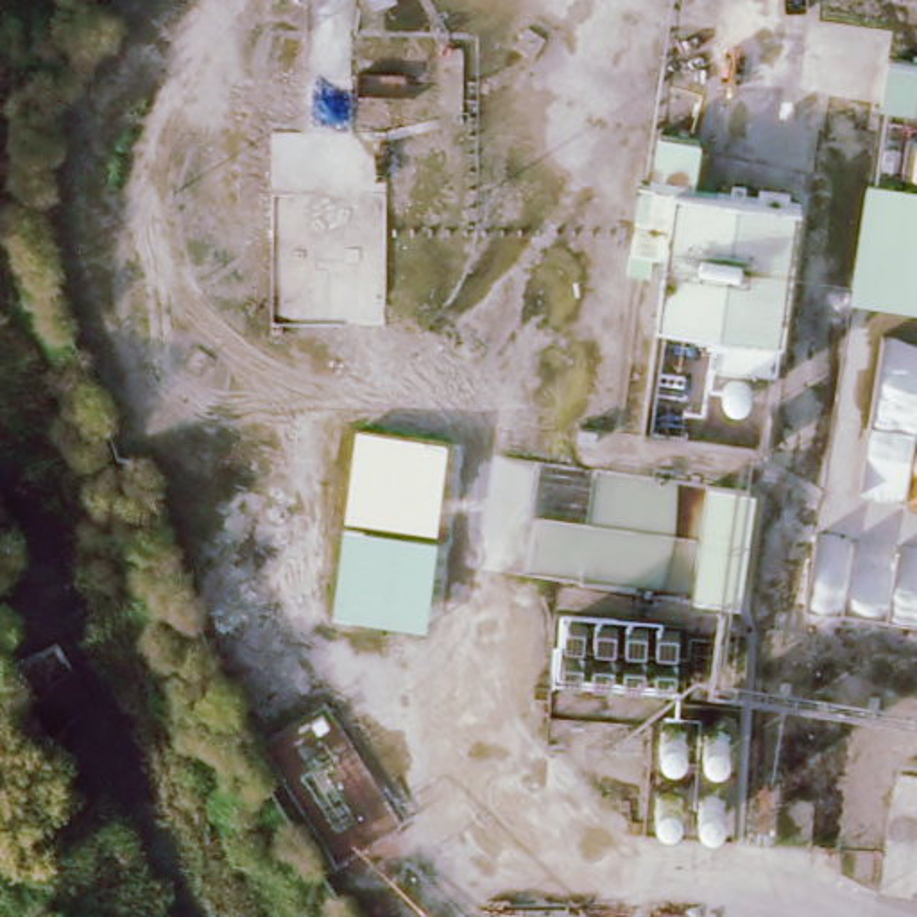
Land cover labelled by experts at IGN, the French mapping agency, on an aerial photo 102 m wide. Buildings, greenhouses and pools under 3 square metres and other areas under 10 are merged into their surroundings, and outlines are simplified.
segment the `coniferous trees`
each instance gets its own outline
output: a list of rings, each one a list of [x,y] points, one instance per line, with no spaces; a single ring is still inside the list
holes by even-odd
[[[118,29],[115,18],[104,14],[100,0],[50,0],[50,36],[68,47],[72,61],[93,64],[115,50]]]
[[[276,856],[290,863],[304,881],[319,881],[322,874],[322,863],[312,845],[287,820],[272,795],[261,799],[254,820],[276,831]]]
[[[82,505],[90,512],[147,519],[161,509],[161,476],[150,462],[125,459],[118,473],[111,473],[100,459],[107,437],[115,433],[115,419],[107,398],[90,383],[82,383],[72,398],[82,441],[79,451],[68,459],[68,466],[82,476]]]
[[[179,555],[172,548],[165,548],[158,559],[129,573],[129,591],[147,605],[140,652],[147,656],[150,670],[161,673],[168,695],[172,745],[186,756],[204,759],[219,777],[219,792],[233,788],[233,777],[247,767],[247,759],[240,752],[219,749],[219,741],[222,731],[233,731],[244,720],[240,698],[219,677],[215,659],[208,659],[201,648],[197,609],[179,580]]]
[[[18,276],[21,308],[32,315],[32,326],[47,347],[64,347],[72,340],[72,330],[61,315],[61,272],[54,261],[54,247],[36,233],[47,222],[47,211],[57,204],[54,168],[64,161],[64,143],[36,136],[36,129],[50,125],[72,104],[64,100],[64,79],[36,75],[29,82],[14,90],[4,104],[11,204],[0,215],[0,244],[11,258],[11,272]]]

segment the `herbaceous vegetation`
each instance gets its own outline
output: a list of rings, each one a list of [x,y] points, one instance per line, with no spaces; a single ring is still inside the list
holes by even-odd
[[[0,917],[61,917],[47,910],[54,878],[39,885],[18,885],[0,874]]]

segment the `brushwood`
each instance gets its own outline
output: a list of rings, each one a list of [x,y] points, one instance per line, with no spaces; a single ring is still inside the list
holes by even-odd
[[[122,810],[115,806],[115,799],[75,795],[68,788],[64,824],[54,831],[50,849],[54,878],[47,910],[61,917],[168,917],[172,896],[165,881],[150,874],[150,863],[140,853],[136,835],[122,824]]]

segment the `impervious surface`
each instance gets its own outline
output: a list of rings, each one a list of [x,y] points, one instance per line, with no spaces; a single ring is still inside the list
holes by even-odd
[[[358,716],[405,738],[408,777],[408,831],[383,835],[373,845],[355,849],[362,863],[369,856],[426,856],[441,874],[451,874],[462,885],[462,892],[480,903],[487,903],[498,892],[577,892],[595,896],[602,903],[648,903],[652,910],[663,903],[681,903],[684,917],[917,917],[917,899],[892,896],[881,885],[867,888],[849,881],[838,867],[838,856],[820,845],[734,845],[720,838],[716,849],[706,849],[698,838],[673,838],[670,845],[663,845],[656,835],[634,835],[623,813],[598,799],[566,767],[562,756],[555,756],[537,738],[537,731],[530,731],[519,720],[516,698],[534,691],[537,684],[541,670],[534,648],[541,638],[541,620],[548,616],[541,595],[516,584],[516,573],[534,570],[534,555],[505,570],[484,570],[469,552],[466,562],[473,570],[473,580],[462,584],[451,602],[433,595],[426,630],[387,630],[387,652],[380,656],[362,656],[333,641],[326,652],[330,688]]]
[[[93,64],[72,61],[64,79],[64,100],[72,104],[82,97]]]
[[[330,115],[333,125],[340,122],[351,118],[362,97],[351,75],[351,11],[340,0],[326,0],[315,11],[319,25],[312,36],[312,50],[301,54],[301,68],[319,90],[319,107]]]

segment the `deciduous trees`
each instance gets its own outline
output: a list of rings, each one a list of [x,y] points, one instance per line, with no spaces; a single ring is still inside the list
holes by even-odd
[[[161,11],[172,0],[100,0],[104,14],[115,18],[118,29],[136,36],[140,43],[150,43],[161,32]]]
[[[50,0],[0,0],[0,54],[29,82],[36,75],[64,79],[72,61],[68,47],[50,36]]]
[[[183,845],[193,892],[208,917],[326,917],[326,899],[333,899],[333,888],[322,874],[319,881],[304,881],[290,863],[276,856],[276,831],[254,820],[261,799],[272,795],[258,752],[244,720],[233,731],[222,731],[219,741],[219,749],[240,752],[247,759],[247,767],[233,777],[233,788],[219,792],[219,777],[204,759],[186,756],[172,745],[168,695],[161,673],[150,670],[147,656],[140,652],[147,605],[129,591],[129,573],[158,559],[165,548],[172,548],[172,530],[161,509],[147,519],[90,512],[75,534],[75,584],[90,605],[86,652],[118,709],[140,716],[140,741],[150,752],[165,827],[172,827]]]
[[[68,459],[79,451],[82,441],[72,398],[82,383],[90,383],[72,340],[64,347],[47,347],[47,358],[54,362],[54,369],[47,373],[47,387],[61,398],[61,416],[50,426],[50,441]]]
[[[32,741],[25,741],[14,720],[11,659],[18,645],[18,620],[11,609],[4,609],[4,595],[18,584],[25,570],[25,544],[18,534],[7,534],[0,527],[0,874],[18,885],[39,885],[54,878],[50,849],[54,831],[64,824],[68,788],[75,777],[72,759],[50,741],[36,749]]]

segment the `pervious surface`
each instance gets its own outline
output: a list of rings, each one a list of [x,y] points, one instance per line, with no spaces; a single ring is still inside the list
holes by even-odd
[[[652,910],[648,903],[602,903],[595,896],[577,892],[498,892],[487,903],[480,903],[462,892],[462,885],[451,874],[441,874],[426,856],[369,856],[362,863],[355,849],[344,842],[340,831],[319,835],[312,845],[322,863],[322,874],[333,888],[333,899],[326,899],[326,917],[684,917],[681,903],[663,903]]]
[[[201,648],[208,659],[215,659],[219,677],[240,698],[244,720],[258,752],[279,734],[312,724],[319,709],[315,695],[330,688],[326,652],[333,641],[362,656],[380,656],[387,652],[387,630],[333,627],[351,455],[362,433],[448,448],[433,595],[451,602],[462,584],[473,580],[473,570],[466,562],[469,552],[469,523],[484,512],[487,462],[509,459],[509,448],[530,448],[559,455],[566,462],[584,459],[587,466],[609,466],[613,473],[638,469],[641,476],[670,484],[673,491],[695,487],[702,498],[713,491],[752,494],[756,530],[745,602],[738,613],[731,613],[731,605],[695,609],[695,595],[684,587],[634,584],[634,591],[620,591],[609,577],[584,577],[580,584],[559,591],[559,580],[544,580],[534,570],[516,573],[516,584],[541,595],[548,616],[541,620],[541,638],[534,648],[541,670],[537,684],[534,691],[516,698],[519,720],[530,731],[537,731],[537,738],[555,756],[562,756],[566,767],[598,799],[623,813],[634,835],[656,835],[659,795],[648,788],[648,774],[659,770],[659,741],[727,738],[731,774],[724,781],[720,799],[720,838],[734,845],[820,845],[838,856],[838,867],[849,881],[867,888],[881,885],[885,849],[892,842],[917,842],[917,817],[899,813],[892,806],[892,795],[896,784],[906,777],[910,756],[917,752],[917,645],[906,641],[903,627],[820,630],[817,623],[810,623],[806,609],[795,605],[795,587],[799,566],[806,559],[806,527],[817,519],[806,505],[806,494],[810,484],[817,484],[820,476],[835,433],[842,344],[853,330],[845,312],[856,308],[849,297],[849,283],[856,269],[863,201],[870,190],[867,183],[878,161],[870,104],[845,104],[802,90],[806,36],[817,18],[835,25],[885,29],[892,32],[892,61],[917,68],[917,0],[340,0],[351,11],[351,75],[362,97],[351,118],[340,122],[347,133],[376,133],[376,140],[383,143],[376,154],[376,179],[383,183],[387,208],[383,322],[355,326],[347,319],[283,315],[279,190],[269,183],[272,136],[301,133],[308,111],[319,107],[319,90],[301,68],[301,54],[312,50],[312,36],[319,25],[315,11],[326,0],[172,0],[161,11],[161,32],[150,43],[140,43],[136,36],[118,29],[115,50],[93,64],[82,97],[72,104],[50,125],[36,129],[36,136],[64,143],[64,161],[54,168],[57,204],[47,211],[47,222],[36,233],[54,247],[54,261],[61,272],[61,315],[72,330],[72,340],[90,383],[107,398],[115,419],[115,433],[107,437],[100,459],[111,473],[118,473],[125,459],[150,462],[161,476],[161,509],[172,530],[172,548],[179,555],[179,580],[197,609]],[[777,383],[788,401],[781,401],[774,412],[770,459],[752,469],[741,466],[741,448],[648,433],[652,398],[641,394],[652,344],[652,333],[641,322],[648,308],[648,287],[627,272],[627,254],[638,201],[656,183],[656,147],[663,140],[698,147],[702,197],[784,193],[792,208],[802,211],[788,340],[777,362],[777,369],[788,373]],[[666,627],[670,638],[681,641],[677,688],[659,688],[652,681],[587,681],[570,670],[552,688],[552,645],[559,634],[559,616],[566,616],[573,627],[584,616],[656,620],[659,627]]]
[[[358,716],[383,767],[398,777],[408,777],[405,738]]]

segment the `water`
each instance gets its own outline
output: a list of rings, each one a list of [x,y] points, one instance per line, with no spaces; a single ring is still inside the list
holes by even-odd
[[[29,82],[0,54],[0,215],[11,204],[4,104],[14,90]]]
[[[54,362],[47,358],[47,347],[32,326],[32,315],[21,308],[18,276],[11,272],[11,258],[0,244],[0,527],[7,534],[18,534],[25,544],[25,570],[18,584],[4,595],[4,609],[11,609],[18,620],[18,645],[11,659],[14,720],[25,741],[32,741],[36,749],[50,741],[72,759],[75,777],[68,788],[75,795],[115,799],[115,806],[122,810],[122,824],[136,835],[140,853],[150,863],[150,874],[165,881],[172,896],[168,917],[208,917],[193,892],[183,845],[172,827],[165,827],[150,752],[140,741],[140,716],[118,709],[86,652],[90,605],[75,584],[75,534],[90,512],[82,505],[82,476],[68,466],[68,459],[50,441],[50,426],[61,416],[61,398],[47,387],[47,373],[54,369]]]

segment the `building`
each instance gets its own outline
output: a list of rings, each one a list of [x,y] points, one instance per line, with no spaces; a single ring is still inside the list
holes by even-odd
[[[892,896],[917,899],[917,842],[892,842],[885,849],[881,885]]]
[[[659,688],[677,688],[681,641],[670,638],[666,627],[659,627],[656,620],[584,616],[573,627],[566,616],[559,616],[559,634],[552,645],[552,688],[570,670],[587,681],[652,681]]]
[[[272,136],[269,183],[279,190],[283,315],[347,319],[355,326],[383,322],[387,208],[383,183],[376,179],[376,154],[383,143],[376,140],[376,133],[347,133],[340,122],[333,125],[330,115],[319,107],[308,111],[301,133]]]
[[[408,831],[408,777],[398,777],[383,767],[358,716],[330,688],[315,695],[319,709],[312,724],[279,734],[258,752],[272,795],[287,820],[312,845],[319,835],[340,831],[344,842],[355,849],[373,845],[383,835]]]
[[[663,845],[670,845],[673,838],[698,838],[706,849],[716,849],[720,838],[720,799],[724,781],[731,774],[727,738],[659,741],[659,770],[648,774],[648,788],[659,795],[656,835]]]
[[[903,627],[906,641],[917,645],[917,68],[892,61],[892,32],[885,29],[835,25],[817,18],[806,36],[802,90],[845,104],[870,104],[878,161],[867,183],[870,190],[863,201],[856,269],[849,283],[849,297],[856,308],[845,312],[853,330],[842,344],[835,433],[820,476],[817,484],[810,484],[806,494],[806,505],[817,519],[806,527],[806,559],[799,566],[795,587],[795,605],[806,609],[810,623],[817,623],[820,630]]]
[[[559,580],[559,591],[580,584],[584,577],[609,577],[620,591],[634,591],[634,584],[684,587],[695,595],[695,609],[731,605],[731,613],[738,613],[745,602],[756,530],[752,494],[713,491],[702,498],[695,487],[673,491],[670,484],[641,476],[638,469],[613,473],[609,466],[587,466],[584,459],[566,462],[559,455],[530,448],[509,448],[509,459],[487,462],[484,512],[469,523],[469,552],[484,570],[505,570],[534,555],[534,570],[544,580]]]
[[[333,627],[387,630],[426,630],[433,595],[448,448],[362,433],[351,455]]]
[[[777,369],[777,362],[788,340],[802,211],[792,208],[784,193],[702,197],[698,147],[663,140],[656,147],[656,183],[638,201],[627,254],[627,272],[648,287],[648,308],[641,322],[652,333],[652,344],[641,394],[652,398],[648,433],[741,448],[741,466],[752,469],[770,459],[774,412],[781,401],[788,401],[777,383],[788,373]]]
[[[892,806],[899,813],[917,817],[917,752],[910,756],[906,777],[896,784],[892,795]]]

